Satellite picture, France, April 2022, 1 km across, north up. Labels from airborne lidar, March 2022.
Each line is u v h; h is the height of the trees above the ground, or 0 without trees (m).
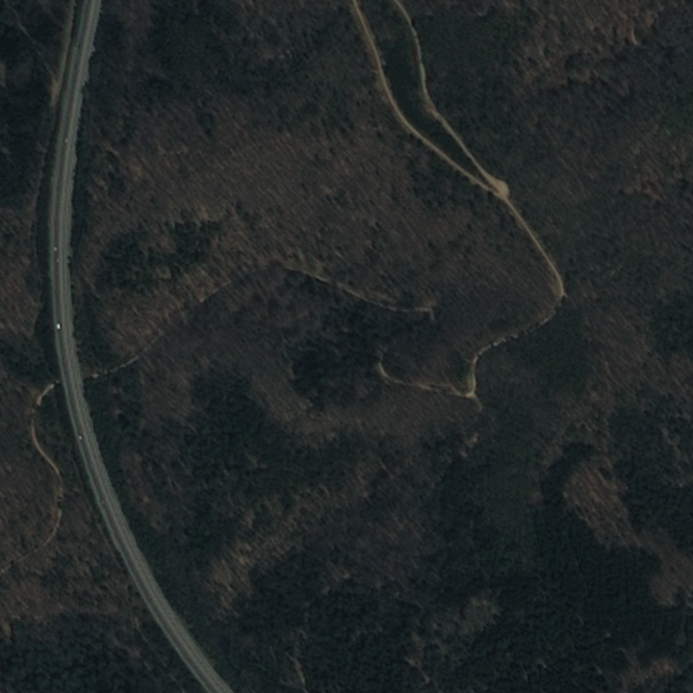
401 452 20
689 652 14
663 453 21
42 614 33
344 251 22
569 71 20
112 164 18
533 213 15
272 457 13
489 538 17
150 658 11
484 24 16
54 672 24
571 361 19
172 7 10
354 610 24
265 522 16
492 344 0
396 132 15
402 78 15
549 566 30
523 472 19
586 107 28
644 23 19
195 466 16
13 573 22
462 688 15
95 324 14
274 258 28
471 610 17
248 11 8
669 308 16
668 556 25
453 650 14
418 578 25
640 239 21
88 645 21
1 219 19
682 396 27
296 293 24
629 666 32
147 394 24
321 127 17
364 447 17
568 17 22
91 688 22
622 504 24
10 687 26
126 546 0
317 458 17
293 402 20
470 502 21
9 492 25
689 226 27
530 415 16
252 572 24
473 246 20
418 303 27
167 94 33
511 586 15
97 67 17
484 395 16
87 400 12
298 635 14
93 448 0
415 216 21
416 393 25
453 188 18
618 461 19
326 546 29
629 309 16
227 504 19
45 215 7
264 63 21
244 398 12
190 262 23
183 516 24
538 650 27
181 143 24
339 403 22
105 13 12
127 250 22
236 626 27
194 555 20
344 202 20
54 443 28
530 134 22
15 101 17
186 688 14
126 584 19
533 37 21
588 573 31
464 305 26
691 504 28
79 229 8
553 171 20
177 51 18
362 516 27
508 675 31
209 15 15
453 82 17
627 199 21
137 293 18
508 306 17
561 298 0
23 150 27
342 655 26
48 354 13
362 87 18
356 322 15
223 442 16
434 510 23
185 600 21
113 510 0
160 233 21
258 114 30
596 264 17
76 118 0
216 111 18
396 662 13
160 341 27
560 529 32
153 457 24
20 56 18
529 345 17
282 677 17
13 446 20
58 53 18
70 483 23
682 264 16
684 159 26
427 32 19
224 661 17
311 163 19
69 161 0
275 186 0
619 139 22
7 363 14
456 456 16
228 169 26
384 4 15
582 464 22
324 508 23
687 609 18
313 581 21
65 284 0
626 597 30
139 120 25
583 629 32
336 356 7
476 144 13
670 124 21
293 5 21
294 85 22
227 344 25
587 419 22
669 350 17
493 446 20
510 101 24
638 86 28
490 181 0
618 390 21
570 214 22
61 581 16
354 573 25
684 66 28
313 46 20
